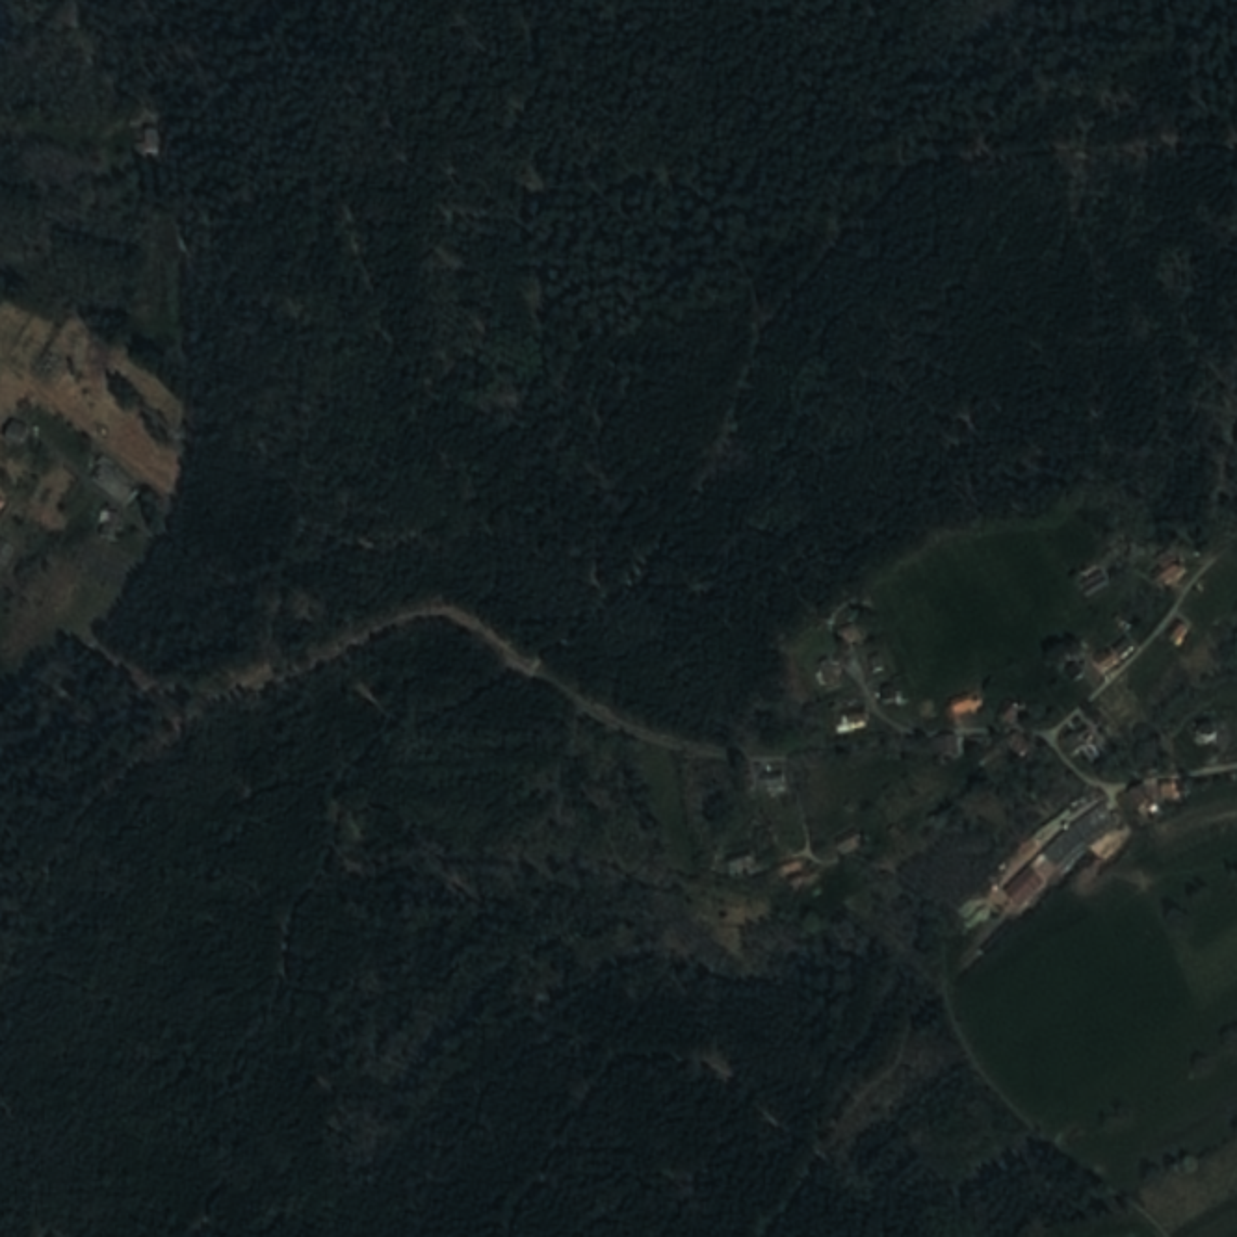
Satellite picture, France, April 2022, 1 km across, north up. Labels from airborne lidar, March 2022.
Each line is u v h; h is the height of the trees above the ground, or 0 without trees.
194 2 31
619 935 15
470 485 17
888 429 21
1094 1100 0
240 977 17
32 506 0
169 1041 33
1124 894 0
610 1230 23
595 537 11
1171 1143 0
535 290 18
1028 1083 0
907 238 15
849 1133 0
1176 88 12
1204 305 15
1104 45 31
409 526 9
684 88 24
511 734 16
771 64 27
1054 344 13
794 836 0
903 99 35
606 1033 18
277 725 15
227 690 11
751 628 20
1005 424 22
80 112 21
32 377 0
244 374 17
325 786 13
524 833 16
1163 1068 0
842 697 0
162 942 11
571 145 28
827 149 34
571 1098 16
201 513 20
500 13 28
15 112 16
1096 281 15
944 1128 12
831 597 24
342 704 18
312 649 11
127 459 0
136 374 0
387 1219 13
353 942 15
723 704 17
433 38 30
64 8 22
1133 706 0
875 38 31
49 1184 19
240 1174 21
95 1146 13
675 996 18
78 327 8
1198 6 33
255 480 16
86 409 0
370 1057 15
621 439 8
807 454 17
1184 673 0
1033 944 0
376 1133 14
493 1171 15
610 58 30
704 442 12
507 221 19
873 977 21
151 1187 13
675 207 34
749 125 29
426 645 16
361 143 29
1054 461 20
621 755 8
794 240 19
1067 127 9
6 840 22
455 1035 11
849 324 18
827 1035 18
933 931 28
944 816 11
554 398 28
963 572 0
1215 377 18
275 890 16
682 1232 23
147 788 14
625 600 17
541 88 26
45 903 11
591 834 14
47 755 23
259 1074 25
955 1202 19
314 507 13
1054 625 0
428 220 22
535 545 15
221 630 14
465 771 15
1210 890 16
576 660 20
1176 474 17
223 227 28
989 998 0
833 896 0
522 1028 11
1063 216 15
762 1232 20
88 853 12
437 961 16
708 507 13
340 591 13
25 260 23
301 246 14
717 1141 16
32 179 18
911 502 25
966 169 15
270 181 28
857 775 0
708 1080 14
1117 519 12
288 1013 16
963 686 0
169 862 15
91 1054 16
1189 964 0
